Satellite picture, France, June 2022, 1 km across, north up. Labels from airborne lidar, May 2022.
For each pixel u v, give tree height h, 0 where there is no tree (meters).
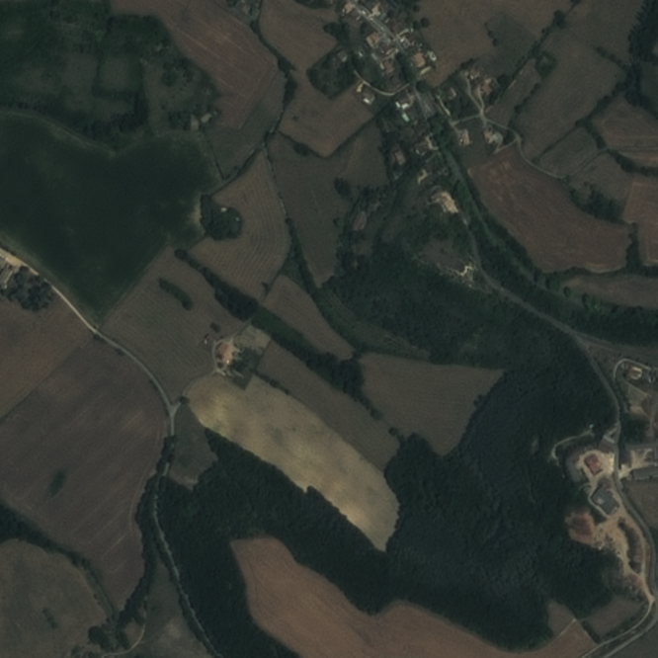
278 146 0
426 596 14
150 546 11
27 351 0
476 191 9
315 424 0
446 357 8
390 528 0
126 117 16
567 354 16
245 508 9
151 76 0
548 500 10
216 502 10
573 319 9
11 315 0
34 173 0
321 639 0
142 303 0
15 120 0
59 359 0
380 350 8
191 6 0
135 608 14
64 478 0
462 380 0
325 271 0
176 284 0
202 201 12
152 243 0
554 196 0
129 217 0
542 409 16
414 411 0
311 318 0
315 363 16
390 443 0
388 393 0
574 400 16
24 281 22
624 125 0
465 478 22
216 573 15
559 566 14
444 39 0
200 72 0
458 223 6
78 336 0
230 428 0
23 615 0
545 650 0
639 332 23
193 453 0
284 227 0
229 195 0
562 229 0
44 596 0
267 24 0
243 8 0
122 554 0
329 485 0
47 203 0
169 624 0
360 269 12
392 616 0
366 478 0
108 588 0
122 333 0
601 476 0
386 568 16
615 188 0
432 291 9
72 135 0
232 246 0
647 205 0
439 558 16
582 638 0
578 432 11
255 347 0
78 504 0
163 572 0
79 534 0
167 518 11
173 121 10
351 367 23
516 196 0
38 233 0
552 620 0
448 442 0
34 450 0
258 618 0
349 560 16
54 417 0
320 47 0
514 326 8
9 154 0
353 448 0
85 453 0
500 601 13
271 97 0
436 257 0
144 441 0
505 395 20
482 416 19
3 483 0
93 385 0
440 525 15
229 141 0
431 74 0
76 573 0
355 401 7
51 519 0
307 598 0
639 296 0
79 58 0
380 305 11
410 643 0
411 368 0
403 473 12
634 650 0
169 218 0
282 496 11
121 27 6
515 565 14
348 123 0
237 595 9
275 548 0
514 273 14
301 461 0
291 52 0
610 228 0
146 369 0
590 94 0
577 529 0
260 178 0
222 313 0
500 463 18
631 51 13
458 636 0
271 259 0
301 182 0
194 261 7
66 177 0
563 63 0
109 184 0
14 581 0
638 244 10
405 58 18
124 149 0
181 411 0
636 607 0
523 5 0
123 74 0
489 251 13
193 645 0
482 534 20
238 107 0
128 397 0
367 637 0
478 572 19
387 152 15
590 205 9
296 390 0
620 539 0
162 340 0
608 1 0
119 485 0
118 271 0
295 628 0
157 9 0
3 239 0
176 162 0
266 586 0
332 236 0
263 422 0
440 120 20
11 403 0
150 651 0
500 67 0
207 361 0
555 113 0
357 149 0
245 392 0
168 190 0
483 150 0
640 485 0
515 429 14
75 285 0
